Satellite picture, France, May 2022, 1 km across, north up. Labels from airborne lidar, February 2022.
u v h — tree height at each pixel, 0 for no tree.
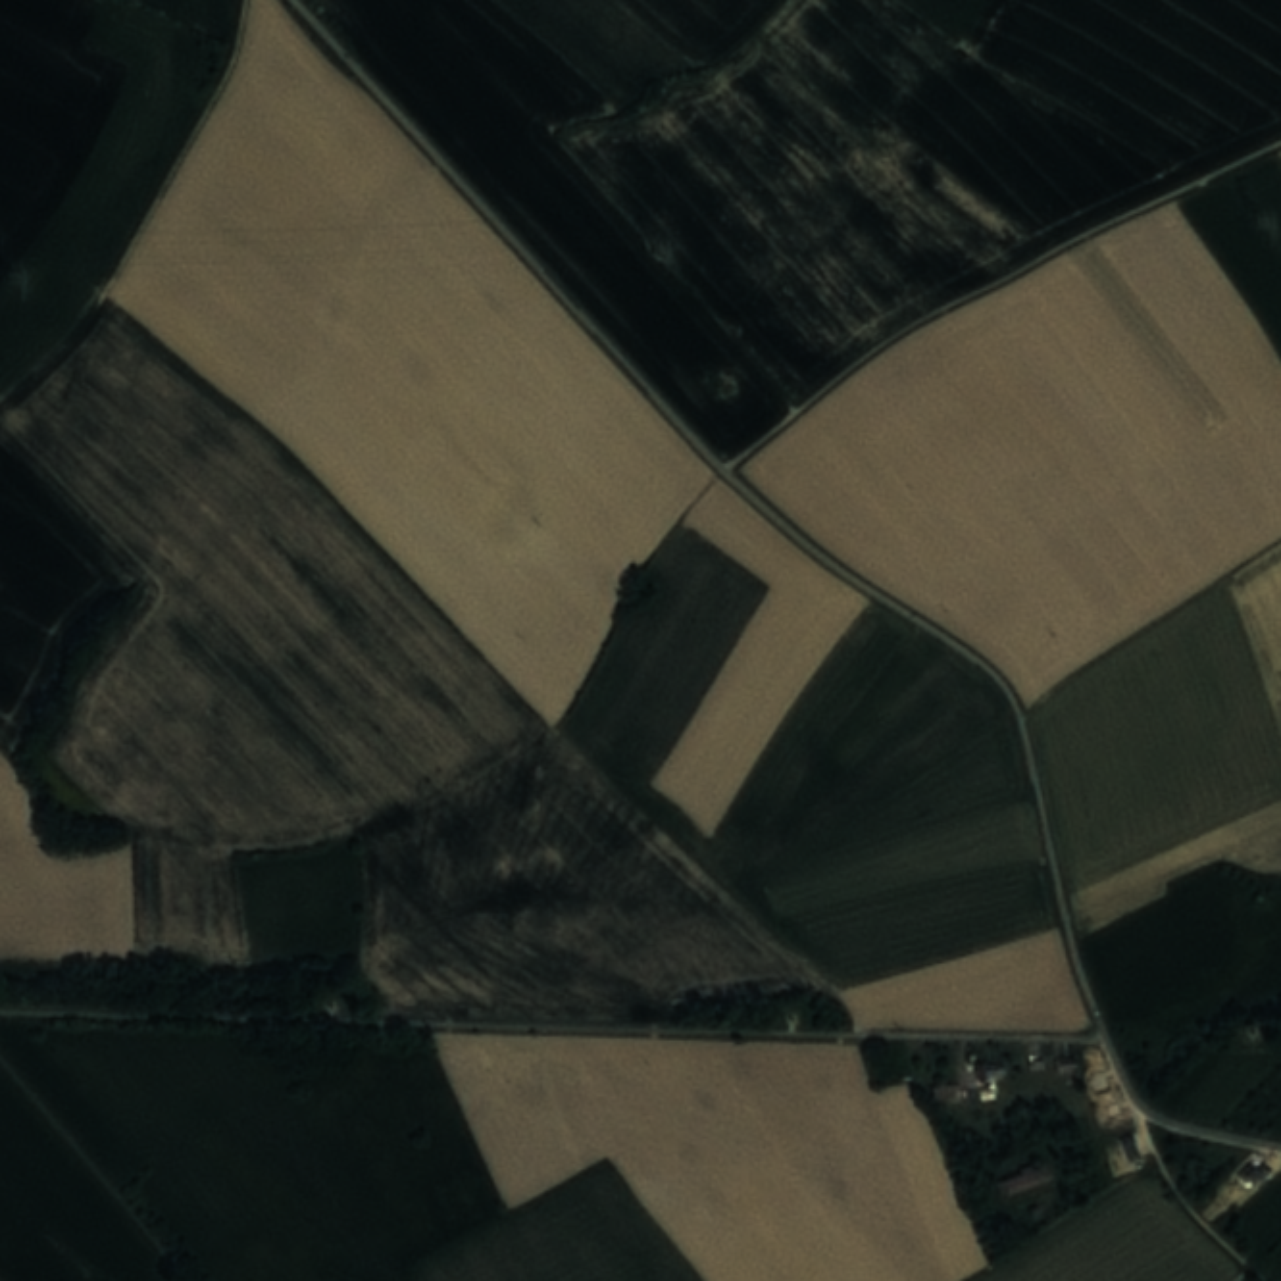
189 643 0
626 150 0
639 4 0
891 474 0
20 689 0
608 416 0
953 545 0
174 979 14
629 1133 0
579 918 0
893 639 0
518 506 0
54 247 0
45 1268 0
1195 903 0
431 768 0
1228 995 0
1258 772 0
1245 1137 0
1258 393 0
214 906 0
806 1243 0
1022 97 0
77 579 0
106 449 0
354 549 0
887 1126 0
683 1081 0
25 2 0
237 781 0
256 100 0
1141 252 0
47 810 16
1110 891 0
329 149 0
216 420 0
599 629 0
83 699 0
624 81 0
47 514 0
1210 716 0
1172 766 0
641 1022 0
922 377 0
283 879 0
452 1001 0
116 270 0
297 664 0
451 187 0
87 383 0
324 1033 24
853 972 0
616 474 0
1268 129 0
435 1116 0
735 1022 16
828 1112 0
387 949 0
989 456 0
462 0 0
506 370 0
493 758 0
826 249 0
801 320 0
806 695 0
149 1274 0
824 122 0
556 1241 0
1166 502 0
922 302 0
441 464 0
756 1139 0
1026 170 0
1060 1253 0
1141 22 0
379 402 0
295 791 0
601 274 0
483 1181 0
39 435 0
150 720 0
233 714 0
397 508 0
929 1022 0
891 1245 0
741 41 0
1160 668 0
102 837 16
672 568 0
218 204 0
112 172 0
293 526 0
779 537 0
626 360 0
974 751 0
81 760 0
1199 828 0
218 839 0
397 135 0
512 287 0
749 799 0
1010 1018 0
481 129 0
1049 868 0
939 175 0
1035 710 0
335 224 0
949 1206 0
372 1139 0
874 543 0
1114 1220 0
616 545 0
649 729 0
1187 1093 0
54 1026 7
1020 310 0
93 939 0
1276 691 0
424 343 0
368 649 0
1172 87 0
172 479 0
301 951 0
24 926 0
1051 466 0
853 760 0
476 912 0
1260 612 0
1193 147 0
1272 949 0
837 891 0
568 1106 0
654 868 0
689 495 0
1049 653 0
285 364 0
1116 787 0
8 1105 0
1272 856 0
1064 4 0
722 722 0
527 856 0
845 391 0
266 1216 0
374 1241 0
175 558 0
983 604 0
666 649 0
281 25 0
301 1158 0
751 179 0
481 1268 0
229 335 0
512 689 0
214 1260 0
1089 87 0
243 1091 0
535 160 0
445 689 0
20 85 0
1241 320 0
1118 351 0
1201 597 0
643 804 0
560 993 0
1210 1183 11
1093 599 0
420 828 0
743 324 0
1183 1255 0
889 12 0
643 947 0
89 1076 0
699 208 0
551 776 0
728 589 0
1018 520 0
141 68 0
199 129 0
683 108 0
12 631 0
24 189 0
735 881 0
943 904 0
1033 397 0
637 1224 0
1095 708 0
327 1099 0
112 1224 0
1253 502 0
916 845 0
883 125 0
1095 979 0
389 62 0
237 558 0
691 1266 0
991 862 0
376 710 0
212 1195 0
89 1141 0
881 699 0
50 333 0
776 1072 0
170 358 0
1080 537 0
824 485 0
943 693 0
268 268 0
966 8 0
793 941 0
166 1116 0
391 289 0
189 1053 0
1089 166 0
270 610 0
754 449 0
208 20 0
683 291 0
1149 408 0
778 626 0
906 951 0
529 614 0
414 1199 0
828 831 0
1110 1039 0
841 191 0
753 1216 0
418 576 0
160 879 0
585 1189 0
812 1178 0
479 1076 0
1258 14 0
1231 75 0
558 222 0
